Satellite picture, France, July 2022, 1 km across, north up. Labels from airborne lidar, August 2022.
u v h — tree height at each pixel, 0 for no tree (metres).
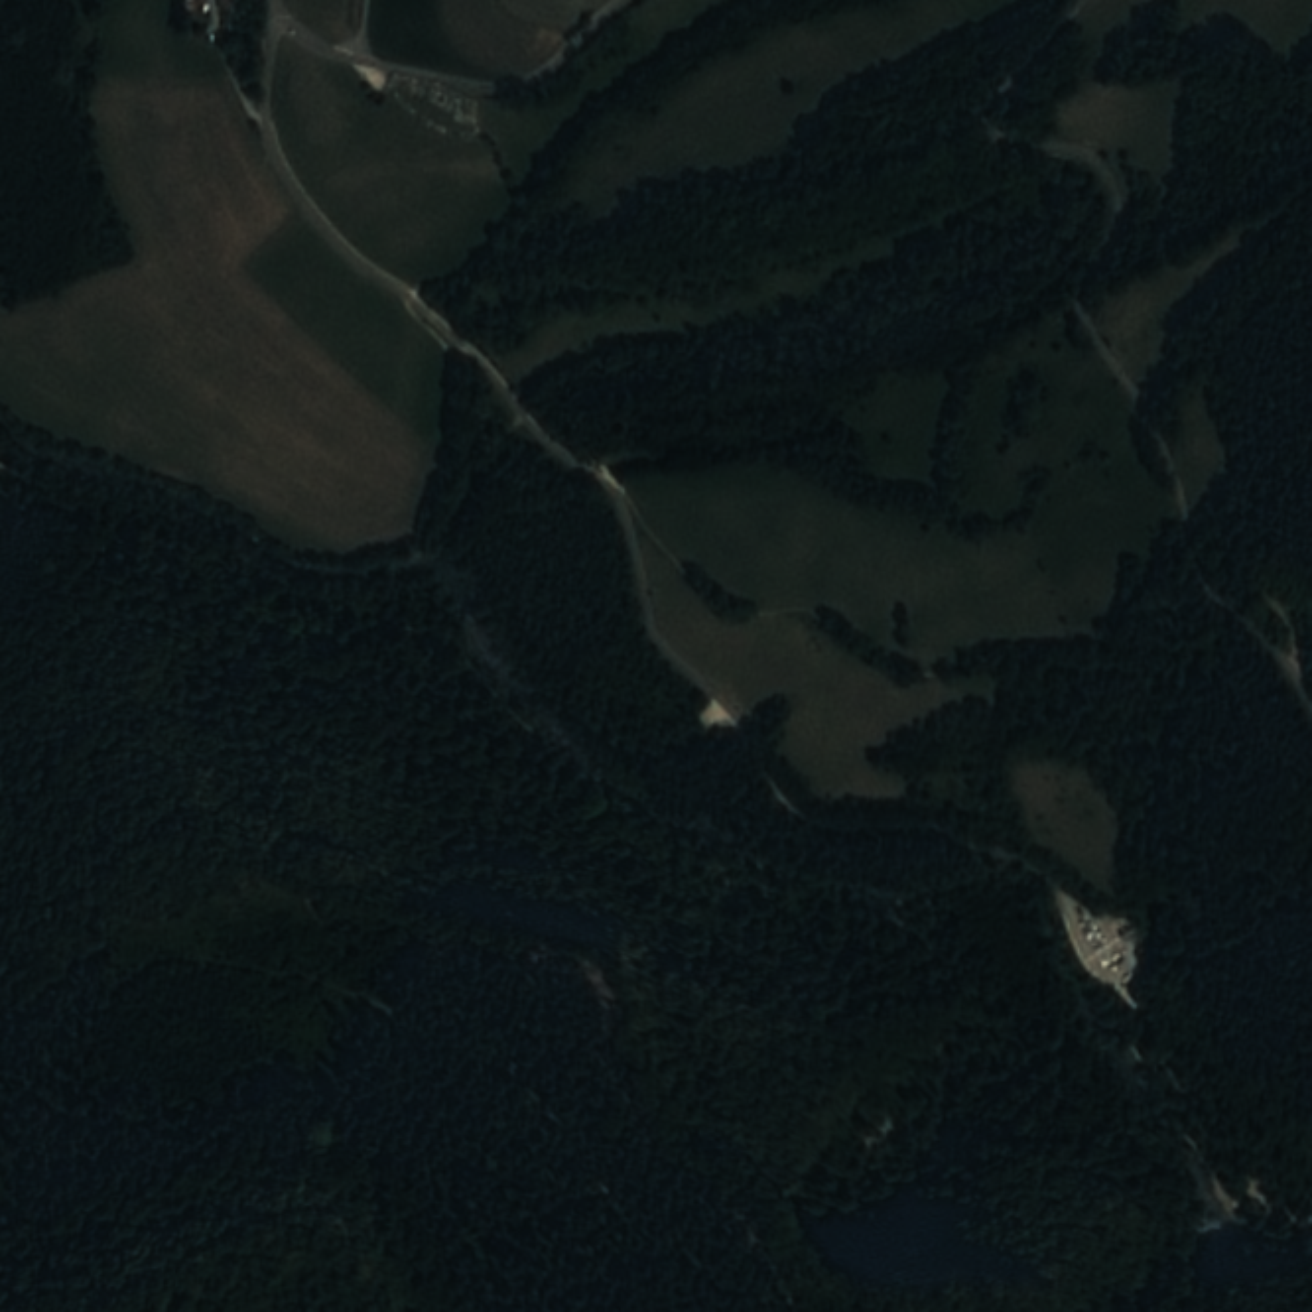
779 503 0
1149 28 25
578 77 10
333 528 0
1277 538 26
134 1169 31
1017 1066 19
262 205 0
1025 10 13
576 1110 31
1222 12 0
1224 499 23
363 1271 11
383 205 0
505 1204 37
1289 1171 17
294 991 6
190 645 25
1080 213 27
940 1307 22
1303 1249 24
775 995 30
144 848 21
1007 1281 13
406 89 0
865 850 31
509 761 34
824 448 17
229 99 0
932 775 7
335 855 13
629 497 0
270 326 0
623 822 36
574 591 16
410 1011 34
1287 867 33
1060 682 11
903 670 22
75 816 24
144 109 0
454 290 13
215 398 0
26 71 26
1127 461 0
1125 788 21
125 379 0
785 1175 13
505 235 19
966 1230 21
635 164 0
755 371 31
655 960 32
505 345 7
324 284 0
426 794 34
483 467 9
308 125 0
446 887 22
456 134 0
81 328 0
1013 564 0
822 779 0
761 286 8
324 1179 28
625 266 15
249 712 32
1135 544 0
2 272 12
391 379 0
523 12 0
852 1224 31
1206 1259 10
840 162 23
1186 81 10
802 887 23
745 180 10
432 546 24
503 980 33
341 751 20
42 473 27
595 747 28
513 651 20
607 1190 30
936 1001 33
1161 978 22
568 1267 32
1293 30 0
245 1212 22
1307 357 27
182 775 16
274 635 18
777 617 0
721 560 0
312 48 0
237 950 6
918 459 0
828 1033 24
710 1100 28
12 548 25
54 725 22
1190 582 27
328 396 0
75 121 17
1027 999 13
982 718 20
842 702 0
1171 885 23
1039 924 23
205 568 11
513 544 18
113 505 15
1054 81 14
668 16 0
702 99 0
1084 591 0
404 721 35
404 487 0
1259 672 33
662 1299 33
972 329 20
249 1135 33
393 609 13
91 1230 27
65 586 23
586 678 14
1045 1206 23
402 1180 36
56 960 20
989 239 28
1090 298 23
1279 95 18
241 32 6
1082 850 0
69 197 27
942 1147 13
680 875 21
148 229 0
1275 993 28
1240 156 17
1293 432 34
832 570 0
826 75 0
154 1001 10
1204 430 0
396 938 11
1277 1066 27
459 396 24
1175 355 18
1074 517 0
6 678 18
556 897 18
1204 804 27
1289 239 24
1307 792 24
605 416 20
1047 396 8
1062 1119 25
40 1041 32
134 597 14
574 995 33
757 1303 34
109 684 22
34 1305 28
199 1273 17
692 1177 32
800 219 27
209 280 0
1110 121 0
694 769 29
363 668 27
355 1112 32
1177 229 15
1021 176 17
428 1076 34
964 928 26
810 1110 21
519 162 0
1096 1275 29
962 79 12
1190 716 27
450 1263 25
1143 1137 25
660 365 14
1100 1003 23
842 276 10
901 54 0
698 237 20
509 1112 38
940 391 0
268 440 0
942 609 0
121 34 0
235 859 17
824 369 28
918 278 30
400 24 0
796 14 11
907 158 24
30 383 0
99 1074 13
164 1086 13
